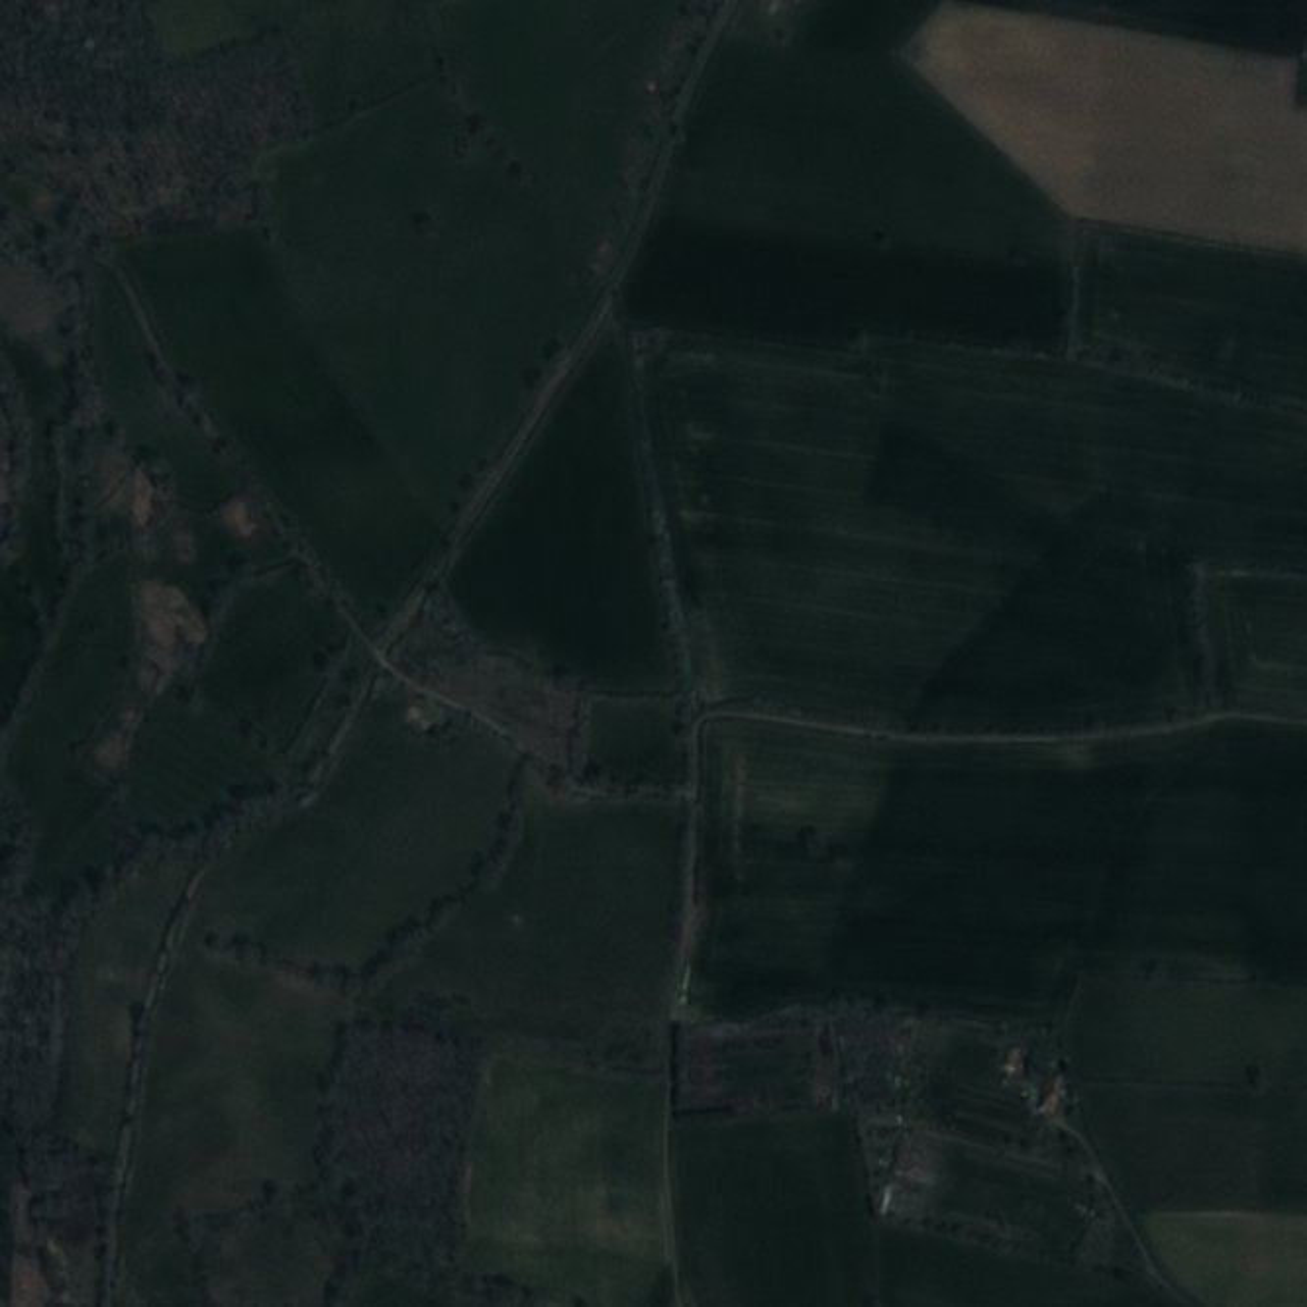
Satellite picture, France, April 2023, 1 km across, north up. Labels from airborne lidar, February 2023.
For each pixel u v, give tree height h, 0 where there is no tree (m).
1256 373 0
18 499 12
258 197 21
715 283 0
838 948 0
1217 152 0
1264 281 0
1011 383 0
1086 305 0
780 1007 7
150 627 0
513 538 0
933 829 0
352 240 0
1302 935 0
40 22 10
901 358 0
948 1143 0
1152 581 0
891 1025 6
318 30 0
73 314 8
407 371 0
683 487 0
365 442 0
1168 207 0
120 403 0
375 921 0
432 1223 22
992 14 0
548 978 0
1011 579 0
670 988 0
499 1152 0
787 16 0
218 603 15
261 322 0
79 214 18
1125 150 0
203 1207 0
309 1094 0
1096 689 0
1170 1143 0
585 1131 0
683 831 9
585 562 0
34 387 0
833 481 0
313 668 0
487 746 0
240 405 0
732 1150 0
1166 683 0
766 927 0
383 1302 0
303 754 0
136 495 0
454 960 0
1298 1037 0
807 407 0
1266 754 0
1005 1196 0
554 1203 0
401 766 0
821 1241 0
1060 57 0
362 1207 17
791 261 0
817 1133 0
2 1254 0
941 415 0
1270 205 0
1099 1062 0
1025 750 0
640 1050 0
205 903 0
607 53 0
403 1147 20
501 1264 0
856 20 0
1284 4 0
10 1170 0
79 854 0
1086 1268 7
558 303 0
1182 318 0
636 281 0
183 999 0
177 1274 0
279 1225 0
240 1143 0
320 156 0
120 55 15
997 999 0
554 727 0
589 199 0
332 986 17
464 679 0
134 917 0
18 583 19
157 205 16
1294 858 0
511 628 0
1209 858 0
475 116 0
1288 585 0
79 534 15
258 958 17
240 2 0
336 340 0
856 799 0
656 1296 0
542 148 0
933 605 0
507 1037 0
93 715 0
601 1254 0
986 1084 0
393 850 0
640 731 0
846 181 0
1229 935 0
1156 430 0
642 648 0
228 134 21
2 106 23
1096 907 0
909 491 0
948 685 0
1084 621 0
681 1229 0
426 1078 14
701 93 0
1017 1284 0
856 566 0
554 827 0
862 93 0
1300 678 0
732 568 0
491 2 0
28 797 0
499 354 0
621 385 0
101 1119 0
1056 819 0
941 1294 0
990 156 0
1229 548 0
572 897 0
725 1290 0
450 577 0
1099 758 0
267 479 0
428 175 0
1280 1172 0
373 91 0
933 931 0
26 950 18
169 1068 0
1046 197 0
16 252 5
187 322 0
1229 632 0
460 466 0
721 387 0
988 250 0
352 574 0
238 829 17
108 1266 12
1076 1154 11
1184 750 0
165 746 0
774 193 0
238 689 0
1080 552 0
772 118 0
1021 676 0
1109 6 0
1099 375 0
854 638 0
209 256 0
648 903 0
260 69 16
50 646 24
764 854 0
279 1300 0
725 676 0
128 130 15
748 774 0
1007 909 0
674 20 0
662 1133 0
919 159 0
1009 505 0
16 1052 22
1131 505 0
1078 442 0
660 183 0
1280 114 0
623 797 9
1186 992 0
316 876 0
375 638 13
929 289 0
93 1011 0
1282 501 0
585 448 0
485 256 0
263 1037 0
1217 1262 0
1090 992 0
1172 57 0
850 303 0
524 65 0
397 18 0
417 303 0
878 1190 6
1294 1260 0
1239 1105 0
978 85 0
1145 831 0
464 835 0
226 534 0
